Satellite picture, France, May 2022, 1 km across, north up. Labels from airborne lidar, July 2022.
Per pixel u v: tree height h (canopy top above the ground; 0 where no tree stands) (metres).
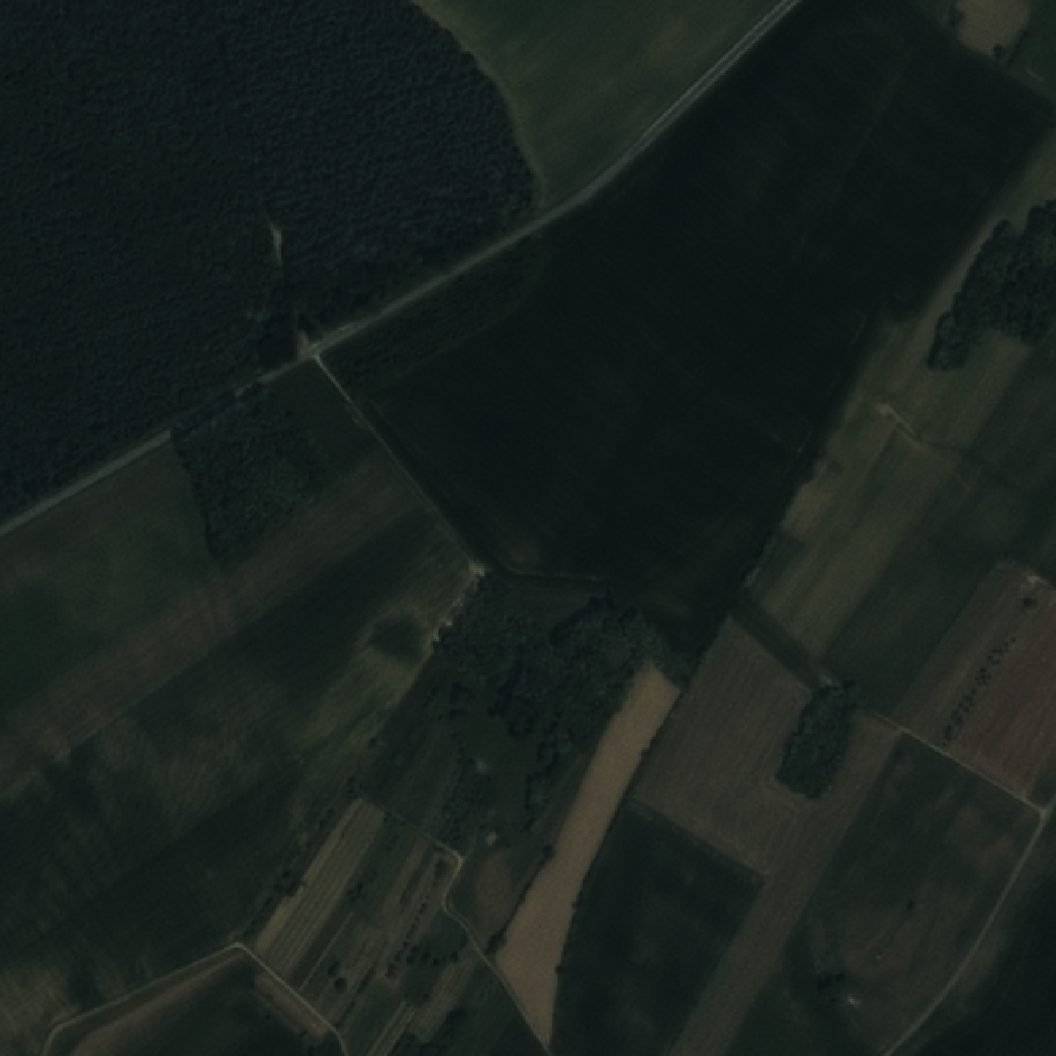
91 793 0
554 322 0
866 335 0
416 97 32
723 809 0
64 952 0
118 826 0
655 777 0
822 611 0
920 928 0
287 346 26
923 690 0
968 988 0
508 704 24
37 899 0
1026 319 18
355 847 0
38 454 18
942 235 0
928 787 0
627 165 0
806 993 0
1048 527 0
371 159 29
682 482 0
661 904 0
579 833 0
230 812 0
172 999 0
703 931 0
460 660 20
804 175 0
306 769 0
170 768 0
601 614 22
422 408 0
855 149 0
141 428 19
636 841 0
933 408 0
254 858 0
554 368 0
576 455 0
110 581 0
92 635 0
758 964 0
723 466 0
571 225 0
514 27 0
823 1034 0
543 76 0
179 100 19
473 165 25
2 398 17
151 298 18
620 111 0
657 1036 0
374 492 0
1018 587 0
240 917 0
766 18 0
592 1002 0
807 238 0
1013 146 0
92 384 19
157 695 0
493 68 0
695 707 0
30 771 0
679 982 0
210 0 15
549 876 0
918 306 0
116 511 0
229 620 0
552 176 0
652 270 0
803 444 0
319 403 0
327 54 31
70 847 0
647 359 0
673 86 0
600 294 0
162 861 0
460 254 23
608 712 18
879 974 0
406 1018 0
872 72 0
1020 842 0
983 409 0
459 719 12
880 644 0
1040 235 22
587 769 0
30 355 18
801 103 0
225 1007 0
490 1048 0
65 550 0
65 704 0
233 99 19
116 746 0
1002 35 0
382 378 11
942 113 0
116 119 15
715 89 0
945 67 0
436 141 29
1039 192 0
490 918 0
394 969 6
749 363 0
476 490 0
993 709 0
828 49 0
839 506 0
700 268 0
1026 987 0
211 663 0
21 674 0
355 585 0
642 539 0
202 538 0
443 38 21
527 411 0
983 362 0
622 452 0
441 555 0
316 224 28
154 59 13
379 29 28
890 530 0
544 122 0
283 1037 0
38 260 18
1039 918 0
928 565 0
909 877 0
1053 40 0
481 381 0
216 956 0
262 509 26
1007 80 0
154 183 13
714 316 0
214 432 20
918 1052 0
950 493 0
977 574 0
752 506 0
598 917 0
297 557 0
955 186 0
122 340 16
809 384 0
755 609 0
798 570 0
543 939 0
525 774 0
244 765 0
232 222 17
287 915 0
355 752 0
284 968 0
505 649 23
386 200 29
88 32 12
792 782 14
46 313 18
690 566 0
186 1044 0
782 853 0
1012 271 19
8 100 13
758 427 0
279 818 0
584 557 0
